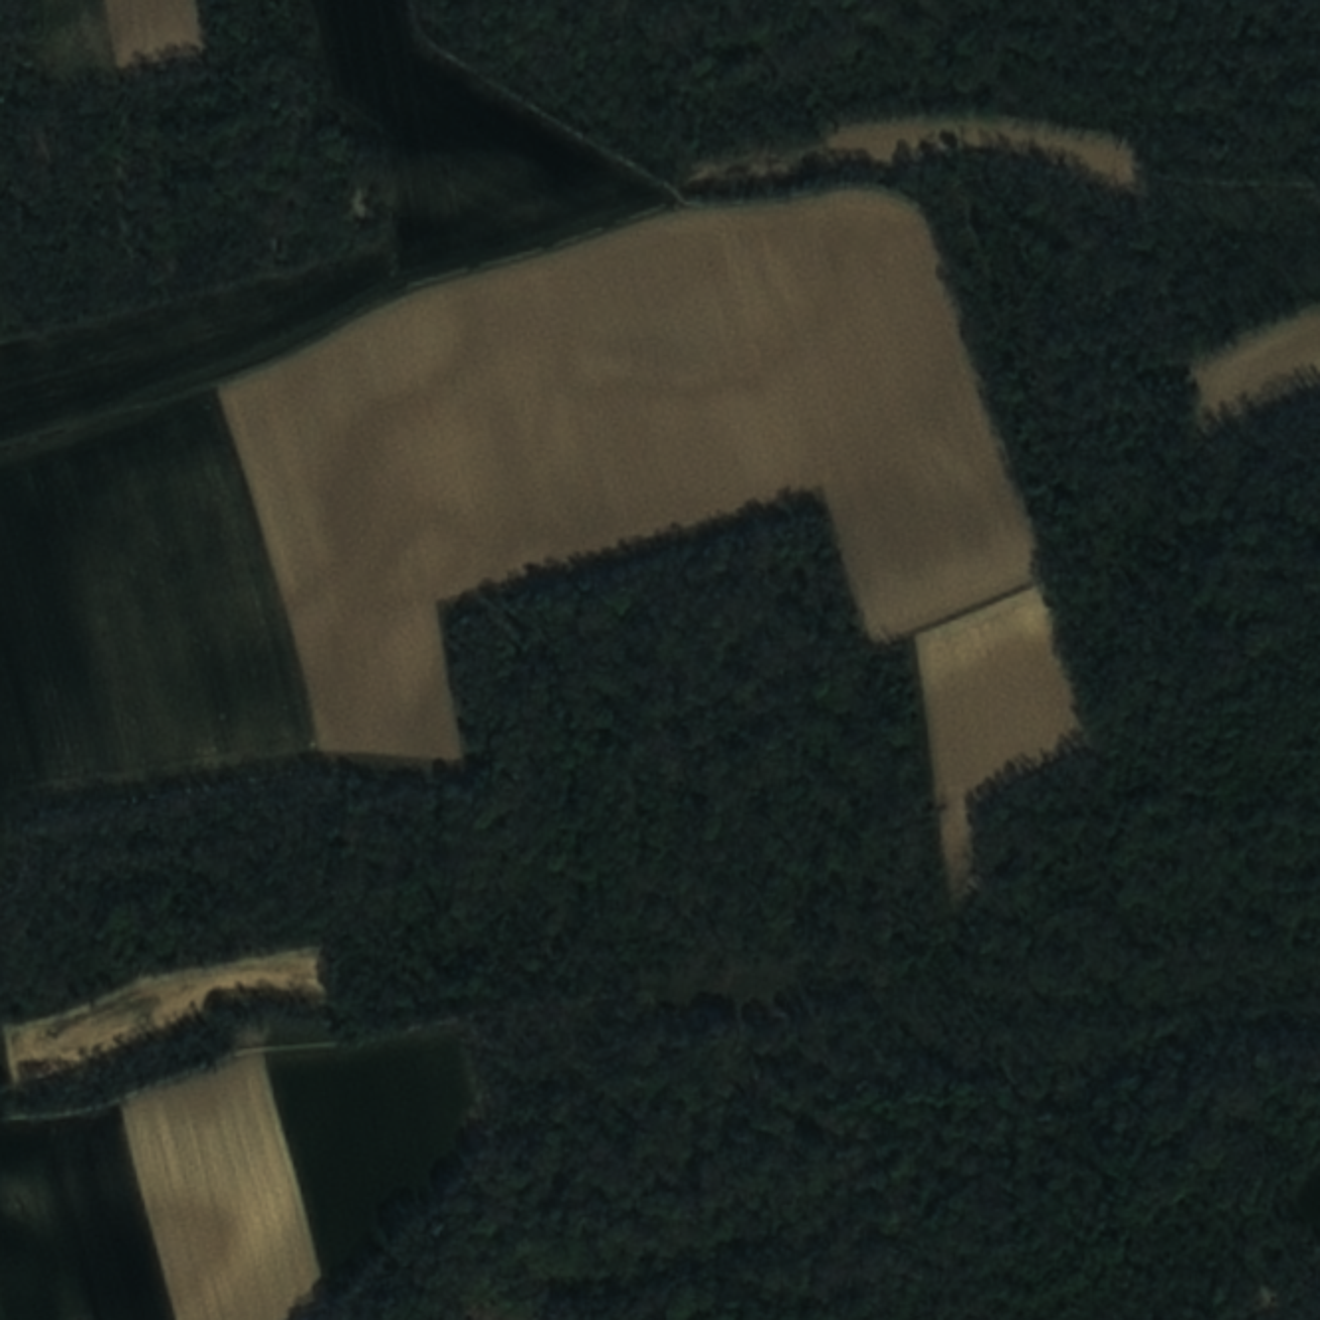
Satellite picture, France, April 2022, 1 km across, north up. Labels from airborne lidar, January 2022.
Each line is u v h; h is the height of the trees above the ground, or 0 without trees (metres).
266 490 0
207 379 0
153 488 0
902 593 0
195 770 0
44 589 0
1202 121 24
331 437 0
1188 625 31
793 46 27
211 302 0
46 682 0
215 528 0
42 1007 24
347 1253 0
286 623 0
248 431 0
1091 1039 35
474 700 20
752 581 30
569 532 0
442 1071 0
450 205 0
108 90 26
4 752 0
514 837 28
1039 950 31
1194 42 22
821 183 20
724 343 0
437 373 0
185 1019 0
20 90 11
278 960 0
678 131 28
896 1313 24
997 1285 25
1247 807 14
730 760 32
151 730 0
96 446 0
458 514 0
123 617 0
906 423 0
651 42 27
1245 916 19
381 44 0
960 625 0
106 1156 0
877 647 10
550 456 0
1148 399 31
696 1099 35
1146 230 31
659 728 32
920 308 0
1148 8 30
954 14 26
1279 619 30
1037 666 0
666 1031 31
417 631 0
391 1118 0
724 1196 27
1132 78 27
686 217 0
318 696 0
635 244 0
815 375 0
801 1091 34
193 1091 0
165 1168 0
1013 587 0
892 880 33
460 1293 32
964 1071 21
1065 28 26
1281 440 31
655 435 0
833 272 0
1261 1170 33
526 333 0
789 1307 27
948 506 0
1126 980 28
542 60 22
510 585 0
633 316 0
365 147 25
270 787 23
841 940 30
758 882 30
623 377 0
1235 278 27
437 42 25
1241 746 17
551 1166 30
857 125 0
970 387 0
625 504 0
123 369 0
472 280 0
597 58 20
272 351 0
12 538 0
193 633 0
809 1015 32
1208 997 11
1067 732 0
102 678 0
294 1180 0
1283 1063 26
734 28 26
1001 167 18
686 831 28
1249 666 20
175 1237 0
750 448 0
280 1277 0
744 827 33
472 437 0
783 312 0
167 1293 0
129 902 30
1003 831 28
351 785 24
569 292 0
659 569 20
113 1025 0
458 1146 0
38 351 0
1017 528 0
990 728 0
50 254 26
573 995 35
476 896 36
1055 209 27
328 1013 10
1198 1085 30
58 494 0
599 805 25
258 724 0
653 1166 36
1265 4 29
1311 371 0
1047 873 29
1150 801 21
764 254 0
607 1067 31
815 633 27
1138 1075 29
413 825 26
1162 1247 8
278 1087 0
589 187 0
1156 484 25
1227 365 0
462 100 0
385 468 0
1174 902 20
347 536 0
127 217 19
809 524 31
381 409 0
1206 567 30
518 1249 36
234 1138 0
